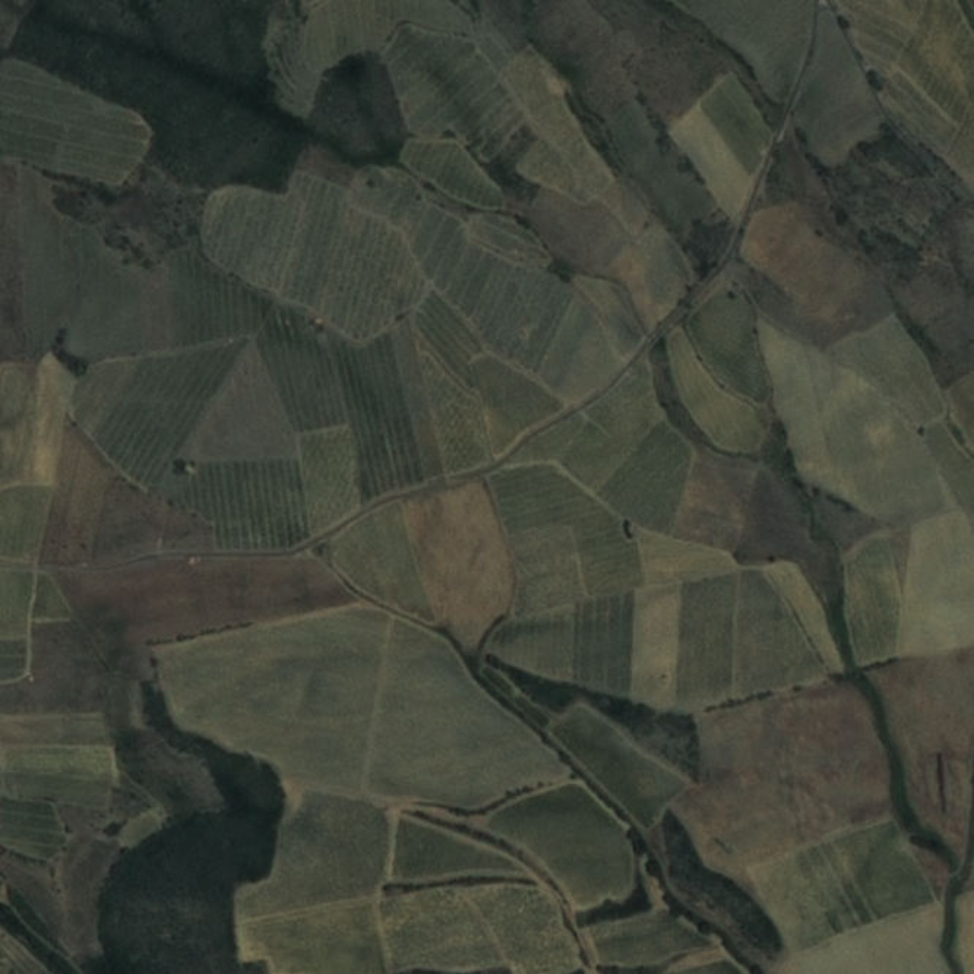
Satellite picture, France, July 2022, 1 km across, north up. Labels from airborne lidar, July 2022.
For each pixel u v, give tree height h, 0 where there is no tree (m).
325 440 0
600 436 0
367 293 0
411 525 0
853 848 0
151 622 0
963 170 0
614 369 0
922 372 0
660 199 0
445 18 0
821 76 0
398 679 0
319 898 0
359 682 0
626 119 0
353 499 0
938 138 0
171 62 6
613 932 0
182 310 0
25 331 0
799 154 0
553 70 0
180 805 0
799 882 0
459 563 0
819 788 0
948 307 0
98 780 0
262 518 0
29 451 0
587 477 0
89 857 0
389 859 0
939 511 0
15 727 0
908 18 0
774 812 0
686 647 0
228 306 0
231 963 0
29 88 0
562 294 0
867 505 0
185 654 0
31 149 0
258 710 0
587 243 0
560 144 0
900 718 0
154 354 0
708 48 0
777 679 0
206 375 0
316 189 0
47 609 0
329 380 0
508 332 0
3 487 0
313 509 0
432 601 0
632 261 0
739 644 0
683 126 0
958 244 0
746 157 0
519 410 0
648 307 0
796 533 0
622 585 0
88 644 0
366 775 0
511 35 0
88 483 0
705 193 0
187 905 0
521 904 0
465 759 0
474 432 0
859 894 0
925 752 0
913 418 0
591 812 0
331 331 0
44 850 0
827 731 0
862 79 0
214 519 0
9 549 0
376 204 0
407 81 0
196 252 0
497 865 0
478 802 0
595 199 0
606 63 0
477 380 0
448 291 0
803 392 0
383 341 0
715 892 0
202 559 0
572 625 0
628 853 0
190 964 0
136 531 0
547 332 0
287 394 0
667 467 0
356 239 0
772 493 0
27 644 0
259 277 0
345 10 0
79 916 0
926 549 0
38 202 0
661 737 0
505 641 0
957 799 0
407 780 0
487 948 0
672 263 0
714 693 0
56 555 0
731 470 0
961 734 0
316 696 0
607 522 0
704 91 0
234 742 0
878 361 0
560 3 0
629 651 0
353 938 0
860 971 0
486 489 0
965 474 0
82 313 0
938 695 0
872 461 0
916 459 0
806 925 0
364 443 0
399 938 0
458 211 0
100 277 0
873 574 0
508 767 0
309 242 0
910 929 0
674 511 0
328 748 0
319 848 0
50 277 0
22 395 0
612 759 0
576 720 0
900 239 0
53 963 9
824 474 0
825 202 0
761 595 0
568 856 0
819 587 0
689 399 0
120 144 0
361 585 0
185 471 8
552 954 0
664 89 0
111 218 0
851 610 0
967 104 0
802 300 0
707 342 0
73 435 0
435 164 0
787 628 0
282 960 0
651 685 0
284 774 0
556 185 0
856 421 0
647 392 0
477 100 0
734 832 0
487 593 0
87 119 0
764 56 0
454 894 0
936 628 0
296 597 0
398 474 0
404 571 0
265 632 0
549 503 0
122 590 0
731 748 0
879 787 0
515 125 0
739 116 0
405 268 0
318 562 0
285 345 0
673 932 0
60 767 0
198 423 0
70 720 0
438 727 0
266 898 0
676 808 0
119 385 0
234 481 0
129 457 0
